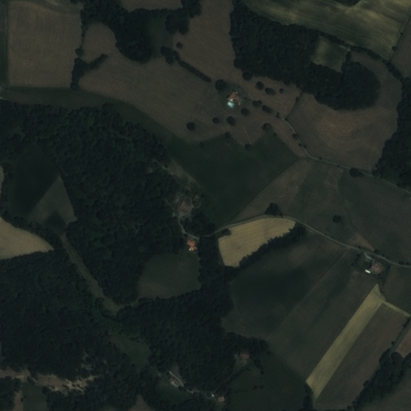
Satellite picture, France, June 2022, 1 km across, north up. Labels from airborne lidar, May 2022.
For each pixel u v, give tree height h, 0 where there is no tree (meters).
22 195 0
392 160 21
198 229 21
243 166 0
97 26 0
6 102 12
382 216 0
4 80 0
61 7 0
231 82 0
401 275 0
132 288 24
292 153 0
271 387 0
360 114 0
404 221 0
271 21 11
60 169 11
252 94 0
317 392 0
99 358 34
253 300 0
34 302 27
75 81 14
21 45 0
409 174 19
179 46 9
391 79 0
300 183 0
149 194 26
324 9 0
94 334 27
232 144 0
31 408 0
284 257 0
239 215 0
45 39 0
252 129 0
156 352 30
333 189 0
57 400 24
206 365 10
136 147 21
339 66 0
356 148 0
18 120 23
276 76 22
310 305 0
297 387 0
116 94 0
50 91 0
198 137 0
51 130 31
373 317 0
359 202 0
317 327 0
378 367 0
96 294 0
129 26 29
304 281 0
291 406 0
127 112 0
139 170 20
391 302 0
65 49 0
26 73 0
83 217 15
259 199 0
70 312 34
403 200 0
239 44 24
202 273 17
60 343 26
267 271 0
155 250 23
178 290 0
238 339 21
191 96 0
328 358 0
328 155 0
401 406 0
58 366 28
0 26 0
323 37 10
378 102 0
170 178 12
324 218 0
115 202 14
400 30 0
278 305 0
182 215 0
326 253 0
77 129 7
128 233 9
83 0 18
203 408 13
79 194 0
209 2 0
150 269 0
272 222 0
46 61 0
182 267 0
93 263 25
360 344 0
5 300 27
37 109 12
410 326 0
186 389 11
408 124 25
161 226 10
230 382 9
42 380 0
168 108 0
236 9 13
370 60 0
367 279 0
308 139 0
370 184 0
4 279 29
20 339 28
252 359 7
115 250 17
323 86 22
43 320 28
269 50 16
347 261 0
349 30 0
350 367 0
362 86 30
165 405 8
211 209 0
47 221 0
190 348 8
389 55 0
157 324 12
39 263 27
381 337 0
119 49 18
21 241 0
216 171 0
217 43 0
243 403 0
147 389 12
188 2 16
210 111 0
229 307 21
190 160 0
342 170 0
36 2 0
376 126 0
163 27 0
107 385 28
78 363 27
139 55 25
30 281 30
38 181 0
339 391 0
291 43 19
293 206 0
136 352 0
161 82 0
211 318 22
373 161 0
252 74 12
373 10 0
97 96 0
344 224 0
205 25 0
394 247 0
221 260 0
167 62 9
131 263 23
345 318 0
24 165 0
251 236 0
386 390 25
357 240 0
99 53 0
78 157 14
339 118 0
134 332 38
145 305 15
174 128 0
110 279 25
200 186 0
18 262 19
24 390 0
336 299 0
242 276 0
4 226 0
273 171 0
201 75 11
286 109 0
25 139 9
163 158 20
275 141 0
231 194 0
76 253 0
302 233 11
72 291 27
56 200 0
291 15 0
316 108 0
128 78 0
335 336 0
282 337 0
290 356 0
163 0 0
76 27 0
